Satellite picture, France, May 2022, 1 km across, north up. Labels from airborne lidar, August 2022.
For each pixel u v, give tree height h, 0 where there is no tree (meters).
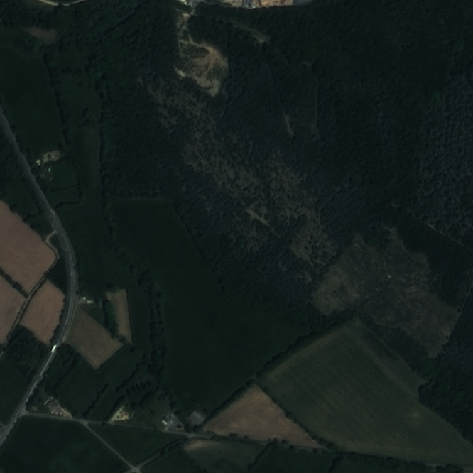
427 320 0
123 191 19
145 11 22
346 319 15
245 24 13
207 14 19
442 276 7
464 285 9
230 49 18
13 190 0
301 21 20
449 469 12
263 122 15
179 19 0
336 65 18
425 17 25
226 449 0
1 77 0
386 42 22
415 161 18
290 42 20
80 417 11
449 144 26
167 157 13
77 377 0
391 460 14
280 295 22
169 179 15
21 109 0
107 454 0
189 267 0
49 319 0
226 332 0
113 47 27
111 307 17
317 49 26
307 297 18
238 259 18
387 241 17
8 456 0
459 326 9
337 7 20
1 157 19
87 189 0
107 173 22
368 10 19
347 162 20
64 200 0
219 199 11
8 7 19
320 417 0
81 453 0
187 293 0
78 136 0
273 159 7
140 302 0
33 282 0
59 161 9
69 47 19
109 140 22
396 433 0
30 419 0
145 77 12
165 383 15
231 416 0
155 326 20
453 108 35
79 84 11
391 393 0
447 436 0
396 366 0
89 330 0
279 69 23
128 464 0
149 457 6
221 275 20
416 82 25
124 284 0
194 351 0
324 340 0
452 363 18
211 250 19
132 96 17
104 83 23
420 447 0
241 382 0
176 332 0
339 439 0
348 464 0
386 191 20
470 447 0
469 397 21
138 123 16
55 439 0
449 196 30
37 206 12
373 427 0
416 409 0
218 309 0
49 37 0
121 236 0
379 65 18
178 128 11
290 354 9
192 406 0
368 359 0
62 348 8
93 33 21
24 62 0
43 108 0
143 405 15
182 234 0
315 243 6
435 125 26
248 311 0
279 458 0
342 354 0
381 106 17
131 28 23
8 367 0
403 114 17
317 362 0
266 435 0
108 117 23
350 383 0
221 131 9
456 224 6
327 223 13
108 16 20
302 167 11
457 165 30
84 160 0
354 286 0
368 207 20
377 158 19
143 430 10
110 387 9
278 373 0
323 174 17
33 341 18
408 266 0
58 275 10
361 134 22
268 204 6
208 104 10
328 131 14
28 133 0
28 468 0
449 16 20
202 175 10
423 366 20
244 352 0
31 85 0
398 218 10
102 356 0
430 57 22
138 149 17
